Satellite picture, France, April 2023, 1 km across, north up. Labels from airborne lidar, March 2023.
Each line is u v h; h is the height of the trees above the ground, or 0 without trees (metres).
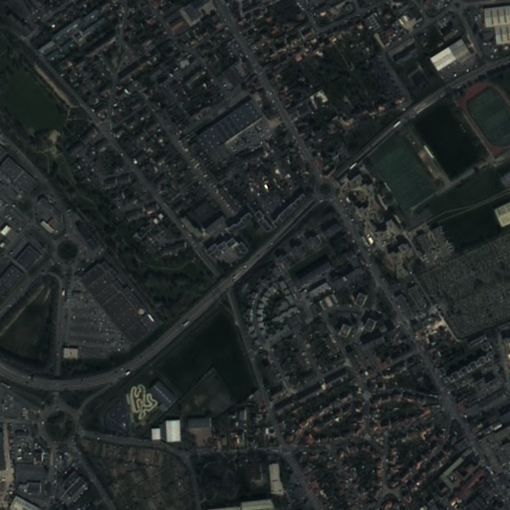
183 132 0
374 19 0
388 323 0
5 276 0
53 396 0
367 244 0
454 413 0
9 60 8
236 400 9
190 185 0
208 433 0
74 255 0
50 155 0
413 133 0
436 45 0
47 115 0
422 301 0
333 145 0
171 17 0
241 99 0
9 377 0
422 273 14
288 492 0
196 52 0
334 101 0
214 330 0
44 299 0
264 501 0
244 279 6
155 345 0
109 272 0
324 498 0
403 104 0
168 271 0
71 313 0
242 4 0
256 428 0
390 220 0
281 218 0
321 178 0
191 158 0
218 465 25
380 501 0
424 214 0
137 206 0
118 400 0
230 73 0
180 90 0
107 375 0
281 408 0
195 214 0
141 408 0
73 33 0
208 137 0
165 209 0
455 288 0
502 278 13
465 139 0
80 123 7
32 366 13
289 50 0
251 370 0
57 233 0
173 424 0
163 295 0
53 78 12
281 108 0
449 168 0
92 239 0
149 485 0
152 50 0
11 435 0
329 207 0
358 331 0
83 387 0
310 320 0
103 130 0
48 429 0
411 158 0
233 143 0
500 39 0
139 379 0
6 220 0
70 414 0
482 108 0
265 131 0
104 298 0
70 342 0
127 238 0
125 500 0
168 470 0
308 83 7
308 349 0
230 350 0
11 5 0
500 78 9
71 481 0
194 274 0
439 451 0
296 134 0
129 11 0
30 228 0
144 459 0
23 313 0
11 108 0
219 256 0
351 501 0
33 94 0
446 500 0
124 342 0
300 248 0
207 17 5
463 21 0
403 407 6
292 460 0
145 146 0
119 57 6
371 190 0
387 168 0
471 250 11
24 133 13
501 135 0
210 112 0
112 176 0
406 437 0
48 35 0
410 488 0
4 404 0
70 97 9
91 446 0
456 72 0
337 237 10
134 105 0
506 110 0
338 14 0
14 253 0
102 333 0
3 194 0
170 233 0
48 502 0
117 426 0
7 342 0
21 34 0
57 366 0
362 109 0
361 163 0
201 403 0
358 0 0
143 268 10
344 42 0
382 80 9
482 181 0
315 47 0
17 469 0
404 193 0
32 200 0
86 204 0
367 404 0
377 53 9
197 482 0
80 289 0
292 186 0
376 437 7
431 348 0
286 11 6
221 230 0
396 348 10
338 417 0
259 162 0
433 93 0
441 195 0
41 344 0
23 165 0
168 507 0
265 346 0
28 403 0
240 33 0
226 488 24
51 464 0
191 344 0
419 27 0
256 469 0
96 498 0
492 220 0
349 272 0
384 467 0
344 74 6
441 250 0
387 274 8
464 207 0
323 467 6
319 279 0
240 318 0
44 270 0
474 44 0
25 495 0
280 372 0
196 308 0
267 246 0
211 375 0
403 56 0
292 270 0
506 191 0
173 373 0
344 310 0
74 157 0
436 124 0
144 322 0
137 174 0
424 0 0
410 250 0
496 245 0
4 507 0
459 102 0
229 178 0
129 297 0
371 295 0
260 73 0
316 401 11
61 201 0
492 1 0
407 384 0
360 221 0
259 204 11
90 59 0
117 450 0
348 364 0
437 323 0
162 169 0
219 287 0
